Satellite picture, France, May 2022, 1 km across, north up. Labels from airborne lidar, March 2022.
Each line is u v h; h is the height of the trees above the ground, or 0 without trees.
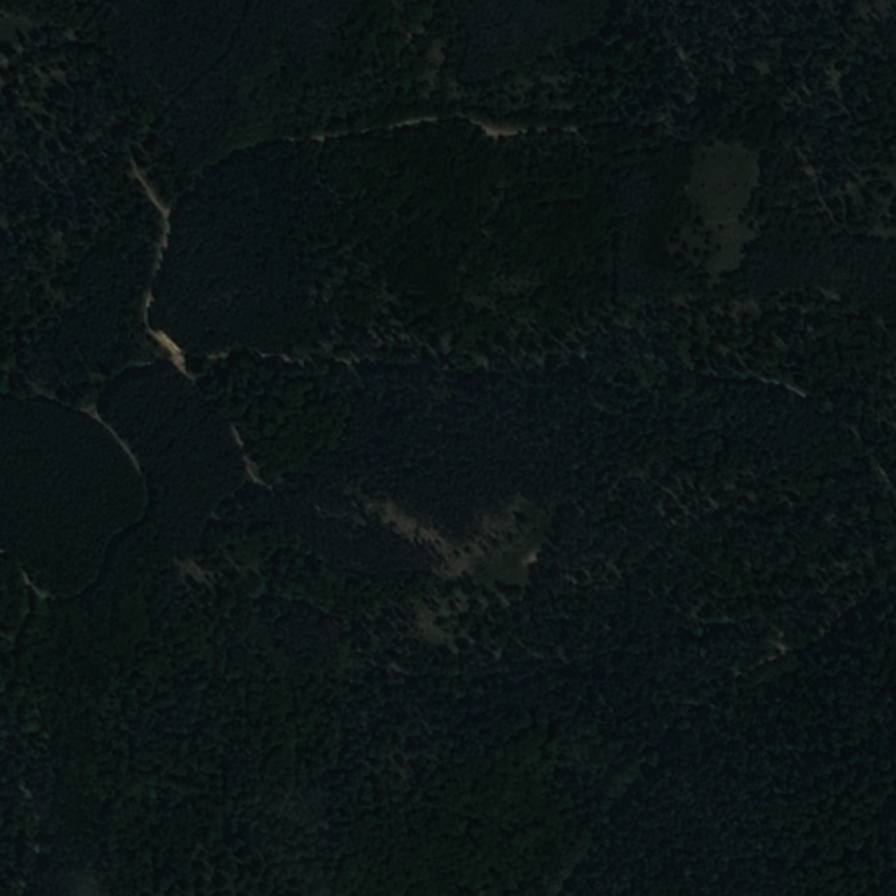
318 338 6
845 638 17
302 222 19
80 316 13
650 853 32
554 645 33
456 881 32
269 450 30
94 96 39
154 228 21
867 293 22
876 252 21
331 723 25
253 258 22
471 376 21
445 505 28
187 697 32
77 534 17
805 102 24
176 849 28
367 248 11
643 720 35
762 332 22
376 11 10
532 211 6
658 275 22
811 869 29
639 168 22
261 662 28
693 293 23
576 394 35
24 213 25
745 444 28
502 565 0
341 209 9
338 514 27
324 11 22
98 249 13
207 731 31
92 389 8
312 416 29
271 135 15
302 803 23
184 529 21
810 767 36
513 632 30
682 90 38
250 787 25
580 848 28
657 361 34
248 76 19
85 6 17
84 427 17
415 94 18
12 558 12
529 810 33
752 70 30
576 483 27
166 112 23
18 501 15
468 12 20
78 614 20
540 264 6
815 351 28
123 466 15
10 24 0
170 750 32
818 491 30
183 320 16
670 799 29
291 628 29
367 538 27
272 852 36
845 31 31
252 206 17
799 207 12
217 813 13
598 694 27
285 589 24
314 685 18
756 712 11
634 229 21
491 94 25
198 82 24
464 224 12
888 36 26
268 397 22
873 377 25
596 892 23
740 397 25
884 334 18
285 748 27
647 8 33
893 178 0
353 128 11
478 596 10
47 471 16
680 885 26
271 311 19
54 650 26
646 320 35
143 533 21
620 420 27
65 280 11
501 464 33
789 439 24
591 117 11
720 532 24
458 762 18
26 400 15
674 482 22
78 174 33
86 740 21
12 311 9
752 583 11
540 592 24
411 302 31
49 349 10
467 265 8
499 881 34
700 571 34
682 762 31
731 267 0
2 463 14
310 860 38
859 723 28
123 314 14
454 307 15
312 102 25
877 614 26
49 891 26
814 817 37
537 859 29
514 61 22
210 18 28
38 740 34
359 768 28
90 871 26
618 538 29
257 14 26
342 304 8
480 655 27
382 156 15
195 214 18
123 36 23
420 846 28
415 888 32
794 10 26
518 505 22
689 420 32
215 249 20
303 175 11
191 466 21
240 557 26
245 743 32
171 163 17
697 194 0
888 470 34
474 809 32
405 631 20
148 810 24
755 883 31
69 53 27
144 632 21
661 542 23
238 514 29
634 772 25
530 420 31
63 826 22
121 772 27
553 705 32
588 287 11
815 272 22
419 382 32
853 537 35
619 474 20
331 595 27
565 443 29
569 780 35
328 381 28
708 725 33
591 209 7
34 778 27
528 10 19
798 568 6
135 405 24
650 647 31
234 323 19
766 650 10
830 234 13
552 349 28
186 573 0
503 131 0
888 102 31
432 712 30
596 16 19
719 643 33
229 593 29
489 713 36
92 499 17
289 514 31
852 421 19
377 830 27
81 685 23
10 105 32
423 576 21
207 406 23
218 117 22
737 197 0
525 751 31
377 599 29
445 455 29
